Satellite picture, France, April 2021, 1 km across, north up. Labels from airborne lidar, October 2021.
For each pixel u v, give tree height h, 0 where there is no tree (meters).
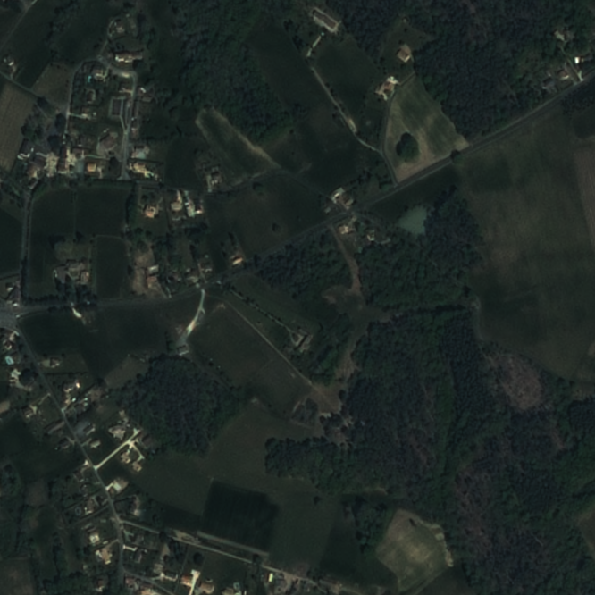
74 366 0
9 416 14
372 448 20
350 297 0
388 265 15
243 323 0
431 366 21
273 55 0
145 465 0
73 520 12
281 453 18
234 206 0
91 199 0
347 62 0
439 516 19
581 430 18
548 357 0
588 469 20
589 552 16
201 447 23
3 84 0
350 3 21
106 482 0
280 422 0
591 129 0
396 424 17
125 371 0
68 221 0
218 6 16
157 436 20
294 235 0
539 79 5
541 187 0
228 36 28
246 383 0
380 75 0
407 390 23
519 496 18
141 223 0
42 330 0
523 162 0
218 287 8
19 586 0
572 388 11
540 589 15
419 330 17
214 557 0
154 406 14
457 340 22
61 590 17
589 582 19
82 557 8
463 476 8
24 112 0
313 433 0
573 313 0
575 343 0
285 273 10
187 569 0
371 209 0
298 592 0
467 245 19
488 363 11
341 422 17
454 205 23
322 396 0
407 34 8
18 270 0
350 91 0
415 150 17
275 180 0
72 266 0
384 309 13
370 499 0
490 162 0
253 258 0
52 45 11
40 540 0
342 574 0
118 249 0
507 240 0
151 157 0
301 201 0
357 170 0
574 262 0
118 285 0
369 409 22
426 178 0
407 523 0
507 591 21
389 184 8
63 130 9
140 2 0
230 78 18
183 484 0
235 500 0
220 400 18
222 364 0
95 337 0
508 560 15
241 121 17
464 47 25
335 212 0
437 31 18
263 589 0
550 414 9
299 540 0
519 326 0
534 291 0
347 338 9
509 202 0
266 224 0
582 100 6
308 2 14
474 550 15
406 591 0
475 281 0
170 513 0
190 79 16
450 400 18
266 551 0
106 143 0
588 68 16
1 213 0
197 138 8
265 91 14
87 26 0
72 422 6
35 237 0
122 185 9
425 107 0
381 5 23
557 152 0
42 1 0
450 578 0
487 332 0
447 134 0
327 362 16
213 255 0
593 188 0
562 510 18
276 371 0
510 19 10
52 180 13
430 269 19
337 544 0
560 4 11
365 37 19
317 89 0
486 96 23
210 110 17
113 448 0
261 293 0
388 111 0
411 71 0
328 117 0
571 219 0
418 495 17
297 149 0
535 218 0
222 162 0
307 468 21
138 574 9
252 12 19
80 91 8
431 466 20
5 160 0
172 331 0
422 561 0
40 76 0
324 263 8
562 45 12
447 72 24
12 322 0
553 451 26
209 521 0
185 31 17
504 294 0
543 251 0
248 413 0
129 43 0
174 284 18
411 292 21
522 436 20
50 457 0
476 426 20
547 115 0
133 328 0
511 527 7
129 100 0
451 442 16
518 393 0
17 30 0
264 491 0
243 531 0
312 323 0
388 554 0
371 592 0
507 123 16
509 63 19
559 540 12
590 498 16
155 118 0
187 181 0
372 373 20
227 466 0
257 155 0
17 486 18
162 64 0
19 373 0
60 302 13
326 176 0
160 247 15
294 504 0
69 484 10
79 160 9
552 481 19
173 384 21
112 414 0
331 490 19
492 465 9
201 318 0
